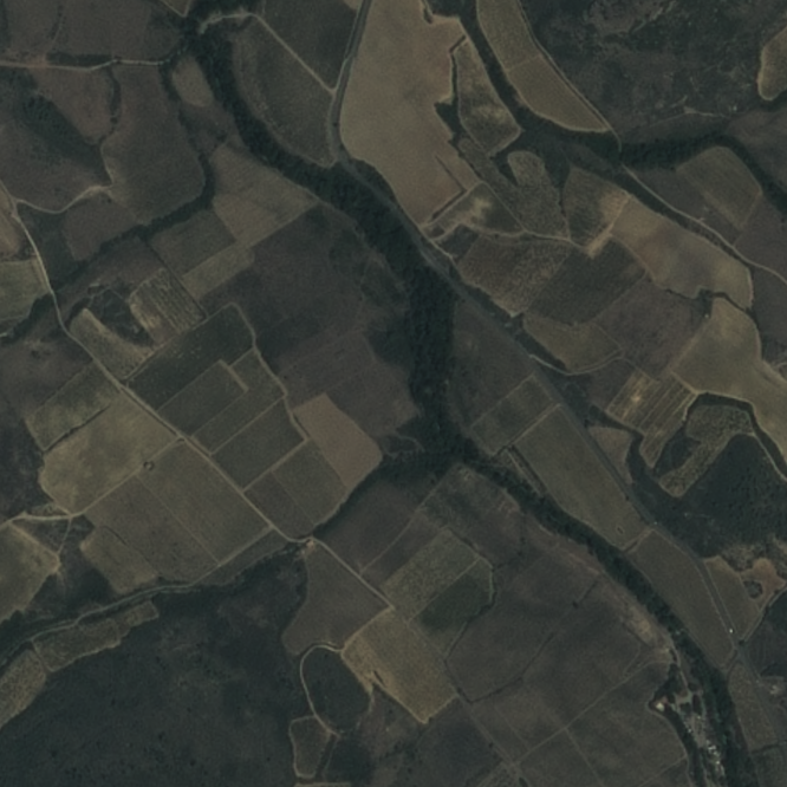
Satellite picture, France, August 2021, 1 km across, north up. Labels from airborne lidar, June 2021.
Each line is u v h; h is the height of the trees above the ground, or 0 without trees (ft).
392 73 0
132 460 0
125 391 0
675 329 0
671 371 0
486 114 0
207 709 0
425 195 0
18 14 0
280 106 0
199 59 19
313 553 0
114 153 0
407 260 66
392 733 0
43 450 0
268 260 0
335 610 0
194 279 0
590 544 39
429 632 0
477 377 0
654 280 0
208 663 18
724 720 37
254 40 0
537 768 0
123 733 0
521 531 0
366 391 0
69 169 0
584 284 0
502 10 0
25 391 0
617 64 0
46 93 0
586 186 0
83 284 0
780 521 24
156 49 0
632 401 0
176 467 0
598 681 0
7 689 0
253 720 0
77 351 0
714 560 0
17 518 0
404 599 0
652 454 0
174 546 0
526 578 0
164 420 0
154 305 0
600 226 0
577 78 0
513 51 0
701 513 0
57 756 30
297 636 0
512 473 30
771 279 0
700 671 30
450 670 0
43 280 0
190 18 19
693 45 0
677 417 0
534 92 0
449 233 0
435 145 0
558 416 0
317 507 0
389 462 24
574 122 0
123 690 0
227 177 0
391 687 0
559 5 0
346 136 0
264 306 0
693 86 0
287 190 0
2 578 0
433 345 65
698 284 0
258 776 0
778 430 0
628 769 0
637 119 0
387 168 0
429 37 0
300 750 0
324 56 0
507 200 0
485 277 0
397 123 0
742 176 0
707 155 0
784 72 0
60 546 0
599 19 0
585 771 0
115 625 0
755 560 0
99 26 0
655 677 0
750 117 0
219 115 0
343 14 0
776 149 0
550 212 0
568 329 0
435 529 0
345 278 0
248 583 20
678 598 0
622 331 0
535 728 0
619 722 0
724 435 0
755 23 0
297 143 0
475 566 0
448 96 0
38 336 0
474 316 0
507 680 0
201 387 0
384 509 0
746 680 0
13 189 0
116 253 0
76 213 0
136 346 0
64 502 0
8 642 20
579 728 0
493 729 0
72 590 0
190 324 0
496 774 0
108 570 0
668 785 0
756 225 0
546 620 0
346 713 0
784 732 0
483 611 19
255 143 55
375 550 0
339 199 43
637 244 0
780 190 18
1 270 0
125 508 0
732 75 0
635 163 35
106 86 0
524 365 0
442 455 32
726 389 0
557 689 0
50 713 0
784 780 0
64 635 0
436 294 71
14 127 0
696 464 0
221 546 0
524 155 0
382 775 0
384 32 0
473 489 0
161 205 0
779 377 0
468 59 0
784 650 0
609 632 0
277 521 0
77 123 0
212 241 0
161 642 0
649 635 0
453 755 0
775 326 0
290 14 0
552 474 0
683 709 25
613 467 0
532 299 0
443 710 0
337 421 0
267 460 0
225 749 0
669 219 0
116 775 0
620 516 0
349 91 0
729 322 0
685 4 0
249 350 0
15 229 0
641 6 0
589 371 0
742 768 19
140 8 0
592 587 0
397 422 0
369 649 0
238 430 0
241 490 0
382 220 73
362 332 0
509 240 0
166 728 0
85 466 0
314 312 0
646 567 0
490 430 0
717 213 0
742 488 24
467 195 0
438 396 26
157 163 0
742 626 0
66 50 0
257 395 0
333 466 0
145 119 0
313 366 0
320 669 0
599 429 0
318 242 0
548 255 0
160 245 0
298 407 0
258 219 0
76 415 0
